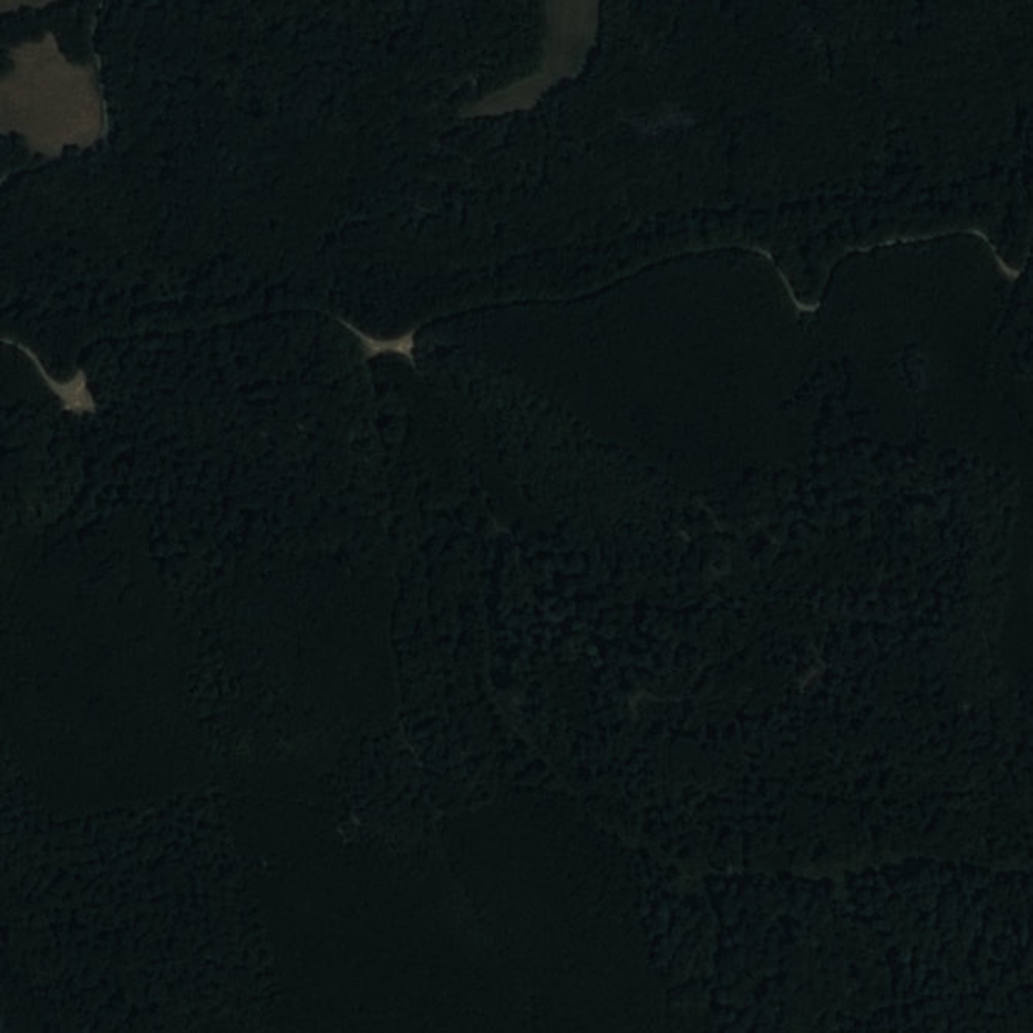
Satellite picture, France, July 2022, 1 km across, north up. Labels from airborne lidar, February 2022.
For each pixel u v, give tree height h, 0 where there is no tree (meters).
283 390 27
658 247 21
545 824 12
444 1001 12
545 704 28
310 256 24
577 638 28
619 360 13
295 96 28
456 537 26
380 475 18
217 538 31
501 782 12
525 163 23
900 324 10
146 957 25
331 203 22
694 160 26
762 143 27
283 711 10
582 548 30
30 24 19
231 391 26
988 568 20
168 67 29
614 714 27
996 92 29
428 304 19
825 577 13
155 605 13
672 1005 25
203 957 22
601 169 27
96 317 24
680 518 22
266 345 26
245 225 25
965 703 22
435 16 25
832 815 30
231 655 11
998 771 27
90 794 11
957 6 25
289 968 14
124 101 23
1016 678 13
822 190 25
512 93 0
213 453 26
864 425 27
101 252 26
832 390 10
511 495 13
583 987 15
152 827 22
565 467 21
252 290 23
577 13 0
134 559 17
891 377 11
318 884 13
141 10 23
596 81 22
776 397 14
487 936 11
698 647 30
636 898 13
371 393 31
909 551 9
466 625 24
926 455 25
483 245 22
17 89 0
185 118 24
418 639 21
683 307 12
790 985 28
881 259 10
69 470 28
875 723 23
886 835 33
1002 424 15
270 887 14
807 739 26
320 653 10
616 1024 10
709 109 25
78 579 17
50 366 14
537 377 15
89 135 0
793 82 24
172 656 12
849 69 26
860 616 26
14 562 12
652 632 31
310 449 25
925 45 27
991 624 23
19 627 13
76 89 0
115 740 13
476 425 12
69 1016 18
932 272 12
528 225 25
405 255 23
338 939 12
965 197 21
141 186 26
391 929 12
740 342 10
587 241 23
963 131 28
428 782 22
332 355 22
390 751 19
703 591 29
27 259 21
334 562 6
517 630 13
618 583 36
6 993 12
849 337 11
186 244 24
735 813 29
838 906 34
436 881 11
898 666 22
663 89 22
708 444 14
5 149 20
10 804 22
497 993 13
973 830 26
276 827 7
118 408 25
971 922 33
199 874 25
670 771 25
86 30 20
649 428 14
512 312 13
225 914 27
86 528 13
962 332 12
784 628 9
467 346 12
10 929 25
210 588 21
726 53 29
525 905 14
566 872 12
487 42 26
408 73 31
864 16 30
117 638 15
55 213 20
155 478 20
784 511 28
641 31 20
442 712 28
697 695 11
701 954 29
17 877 25
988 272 11
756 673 10
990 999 25
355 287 24
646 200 24
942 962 29
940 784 10
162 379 22
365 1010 14
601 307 13
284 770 10
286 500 27
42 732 13
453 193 24
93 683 15
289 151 23
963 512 25
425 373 13
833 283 9
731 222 28
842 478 29
